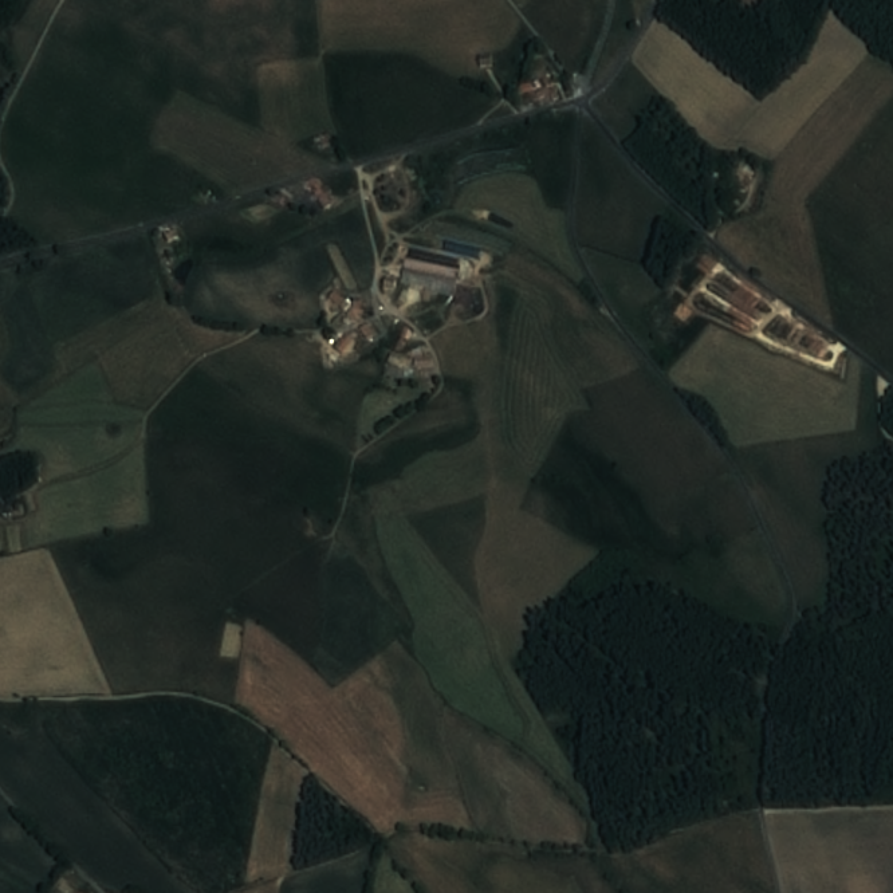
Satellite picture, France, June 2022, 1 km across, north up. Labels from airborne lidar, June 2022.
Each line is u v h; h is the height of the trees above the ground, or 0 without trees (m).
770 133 0
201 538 0
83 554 0
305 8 0
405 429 0
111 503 0
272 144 0
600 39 0
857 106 0
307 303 0
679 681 28
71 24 0
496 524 0
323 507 0
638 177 0
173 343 0
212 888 0
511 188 0
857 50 0
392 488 0
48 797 0
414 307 0
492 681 0
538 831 0
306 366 0
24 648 0
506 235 0
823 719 21
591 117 0
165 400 0
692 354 0
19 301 0
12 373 0
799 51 24
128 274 0
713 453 0
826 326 0
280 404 0
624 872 0
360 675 0
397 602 0
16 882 0
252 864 0
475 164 0
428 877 0
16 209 0
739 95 0
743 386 0
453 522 0
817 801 21
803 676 20
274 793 0
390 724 0
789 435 0
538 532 0
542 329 0
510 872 0
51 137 0
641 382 0
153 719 0
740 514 0
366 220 0
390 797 0
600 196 0
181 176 0
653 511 0
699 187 20
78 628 0
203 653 0
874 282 0
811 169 0
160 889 0
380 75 0
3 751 0
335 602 0
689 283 0
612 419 0
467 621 0
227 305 0
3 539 0
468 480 0
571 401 0
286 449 0
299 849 18
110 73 0
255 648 0
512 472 0
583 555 0
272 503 0
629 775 27
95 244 0
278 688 0
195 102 0
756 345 0
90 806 0
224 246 0
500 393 0
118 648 0
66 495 0
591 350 0
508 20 0
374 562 0
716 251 0
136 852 0
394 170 0
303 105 0
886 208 0
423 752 0
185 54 0
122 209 0
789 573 0
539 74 0
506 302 0
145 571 0
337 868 0
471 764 0
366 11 0
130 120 0
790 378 0
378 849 13
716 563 0
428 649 0
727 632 26
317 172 0
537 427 0
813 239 0
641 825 18
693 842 0
